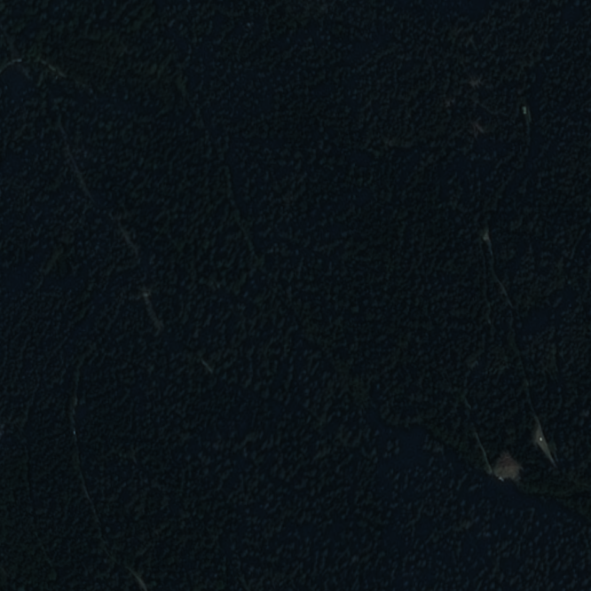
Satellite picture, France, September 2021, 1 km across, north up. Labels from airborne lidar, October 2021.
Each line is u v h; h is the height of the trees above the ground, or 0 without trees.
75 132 19
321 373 7
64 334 32
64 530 24
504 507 24
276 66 21
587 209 13
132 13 29
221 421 17
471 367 0
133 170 25
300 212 23
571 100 22
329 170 18
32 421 23
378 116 32
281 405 9
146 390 28
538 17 23
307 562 25
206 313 10
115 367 23
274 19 32
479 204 21
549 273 33
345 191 9
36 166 22
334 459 20
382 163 13
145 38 24
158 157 30
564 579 28
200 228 23
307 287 28
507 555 22
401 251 9
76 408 0
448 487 33
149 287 30
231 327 8
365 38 30
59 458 25
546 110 21
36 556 28
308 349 21
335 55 22
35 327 32
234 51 29
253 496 13
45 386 27
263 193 36
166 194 28
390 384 37
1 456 34
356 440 37
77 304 24
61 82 9
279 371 9
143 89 8
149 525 20
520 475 0
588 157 30
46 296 32
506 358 9
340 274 30
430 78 28
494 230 16
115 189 24
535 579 34
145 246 13
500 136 33
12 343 29
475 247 24
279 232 17
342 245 28
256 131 22
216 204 24
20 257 28
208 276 23
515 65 29
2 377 28
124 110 8
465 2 15
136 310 10
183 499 13
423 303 17
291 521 20
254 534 19
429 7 27
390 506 30
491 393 26
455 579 33
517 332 15
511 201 19
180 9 35
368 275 16
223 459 12
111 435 19
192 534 23
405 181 30
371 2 25
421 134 32
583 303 14
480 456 13
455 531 32
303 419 19
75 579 21
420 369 12
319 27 8
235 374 27
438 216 20
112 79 7
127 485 36
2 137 30
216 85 30
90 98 6
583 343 30
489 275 26
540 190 18
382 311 12
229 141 20
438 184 19
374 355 24
